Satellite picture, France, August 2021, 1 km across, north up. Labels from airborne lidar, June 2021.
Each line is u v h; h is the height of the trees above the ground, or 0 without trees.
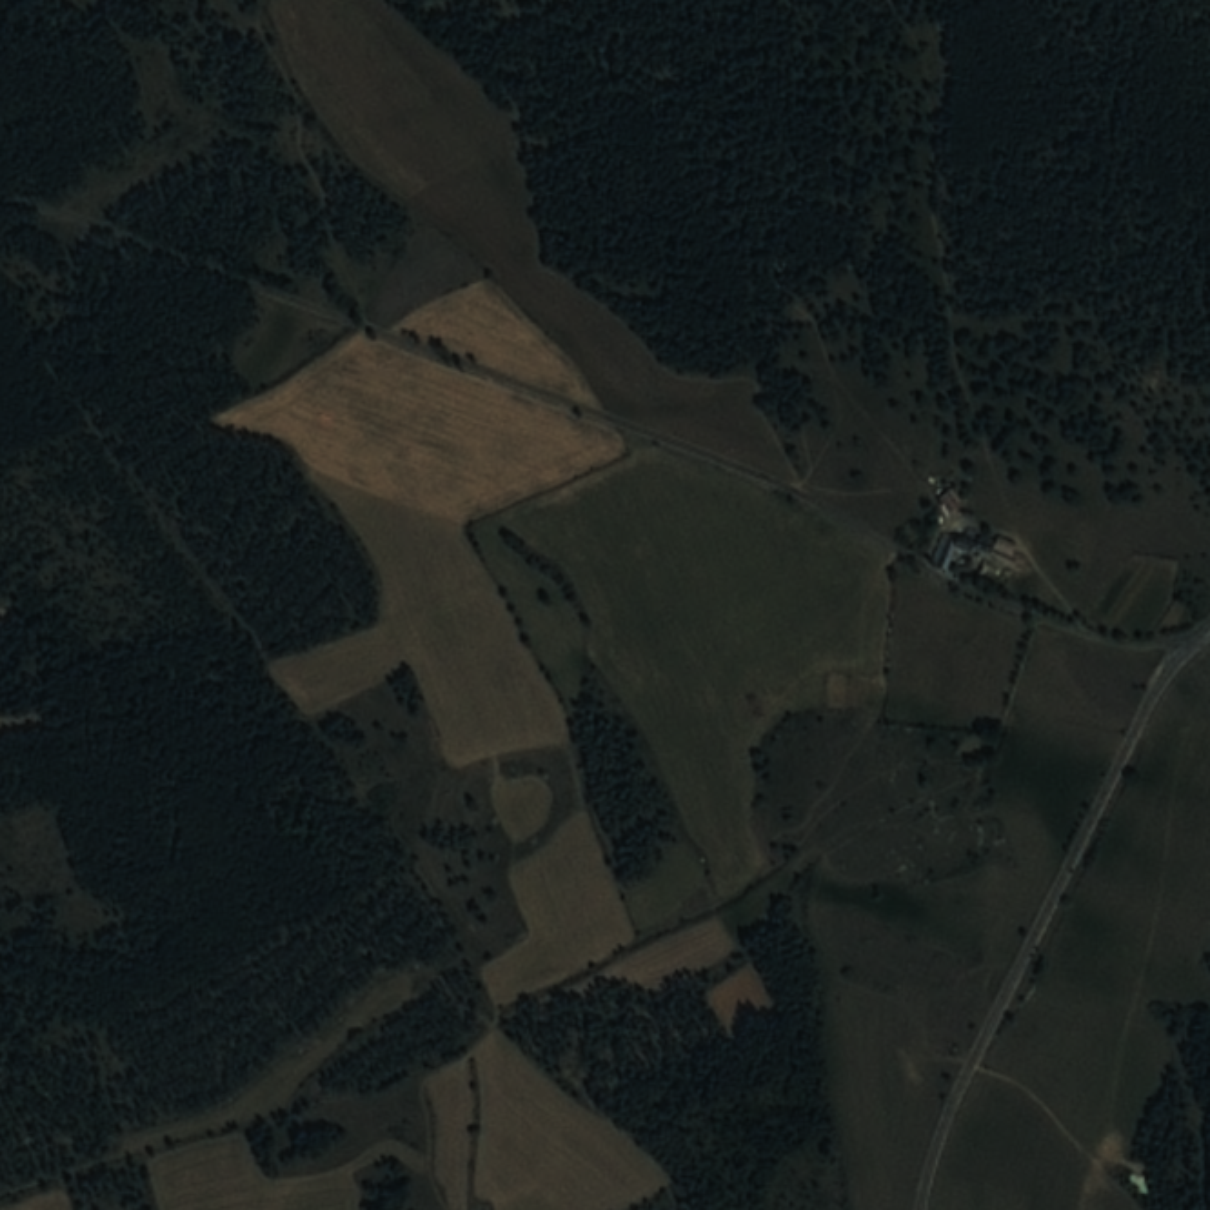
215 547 11
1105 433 9
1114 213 10
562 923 0
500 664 0
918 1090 0
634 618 0
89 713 14
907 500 0
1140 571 0
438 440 0
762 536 0
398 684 10
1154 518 0
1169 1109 13
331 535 14
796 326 9
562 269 10
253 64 14
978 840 0
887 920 0
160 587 6
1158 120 15
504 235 0
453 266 0
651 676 0
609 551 0
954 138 14
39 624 13
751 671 0
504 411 0
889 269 14
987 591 12
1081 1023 0
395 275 0
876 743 0
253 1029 11
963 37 14
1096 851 6
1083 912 0
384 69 0
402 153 0
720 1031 19
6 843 0
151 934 13
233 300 19
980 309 13
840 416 0
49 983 15
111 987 14
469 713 0
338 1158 0
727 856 0
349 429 0
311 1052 0
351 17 0
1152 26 12
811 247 14
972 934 0
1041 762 0
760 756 8
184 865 13
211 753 13
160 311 14
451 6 9
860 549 0
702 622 0
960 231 7
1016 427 13
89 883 13
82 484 8
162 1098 9
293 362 0
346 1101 0
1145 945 0
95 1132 14
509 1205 0
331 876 13
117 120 20
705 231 16
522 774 0
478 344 0
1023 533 0
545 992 0
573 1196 0
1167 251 15
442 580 0
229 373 15
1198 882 0
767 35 14
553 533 0
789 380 14
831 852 0
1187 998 0
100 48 20
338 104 0
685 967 0
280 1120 9
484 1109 0
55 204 15
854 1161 0
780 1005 15
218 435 15
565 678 0
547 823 0
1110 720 0
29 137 16
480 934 0
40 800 16
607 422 0
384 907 12
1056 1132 0
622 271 11
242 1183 0
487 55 19
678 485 0
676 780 0
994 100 13
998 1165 0
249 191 15
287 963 11
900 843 0
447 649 0
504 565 0
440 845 9
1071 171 9
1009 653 0
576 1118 0
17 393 14
